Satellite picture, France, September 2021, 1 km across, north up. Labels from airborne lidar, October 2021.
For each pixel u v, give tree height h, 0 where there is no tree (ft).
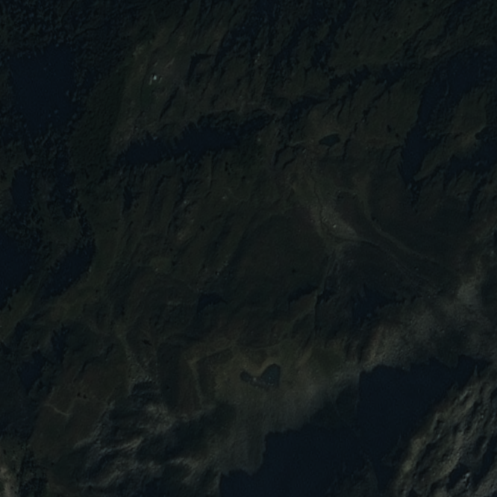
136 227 0
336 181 0
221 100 0
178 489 0
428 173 0
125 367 0
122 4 18
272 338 0
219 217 0
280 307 0
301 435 0
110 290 0
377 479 0
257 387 0
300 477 0
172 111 0
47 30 75
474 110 0
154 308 0
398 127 0
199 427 0
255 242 0
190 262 0
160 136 0
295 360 0
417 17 0
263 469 0
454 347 0
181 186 0
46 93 23
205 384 0
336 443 0
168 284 0
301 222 0
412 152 0
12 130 21
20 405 0
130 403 0
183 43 0
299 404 0
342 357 0
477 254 0
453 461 0
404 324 0
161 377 0
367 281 0
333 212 0
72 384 0
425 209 0
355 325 0
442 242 0
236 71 0
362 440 0
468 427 0
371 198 0
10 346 0
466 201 0
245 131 27
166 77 0
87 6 22
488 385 0
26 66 23
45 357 0
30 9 19
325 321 0
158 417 0
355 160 0
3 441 0
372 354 0
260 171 0
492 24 18
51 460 0
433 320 0
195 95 0
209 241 0
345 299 0
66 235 0
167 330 0
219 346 0
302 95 0
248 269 0
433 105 35
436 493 0
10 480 0
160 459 0
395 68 0
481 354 0
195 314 0
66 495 0
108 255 0
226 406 0
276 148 0
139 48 0
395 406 0
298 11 23
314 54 0
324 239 0
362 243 0
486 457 0
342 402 0
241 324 0
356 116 0
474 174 0
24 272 20
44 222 42
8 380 0
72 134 26
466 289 0
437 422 0
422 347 0
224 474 0
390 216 0
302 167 0
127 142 0
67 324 0
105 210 0
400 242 0
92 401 0
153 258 0
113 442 0
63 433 0
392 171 0
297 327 0
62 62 19
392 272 0
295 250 0
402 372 0
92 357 0
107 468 0
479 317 0
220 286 0
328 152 0
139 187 0
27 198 23
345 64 0
